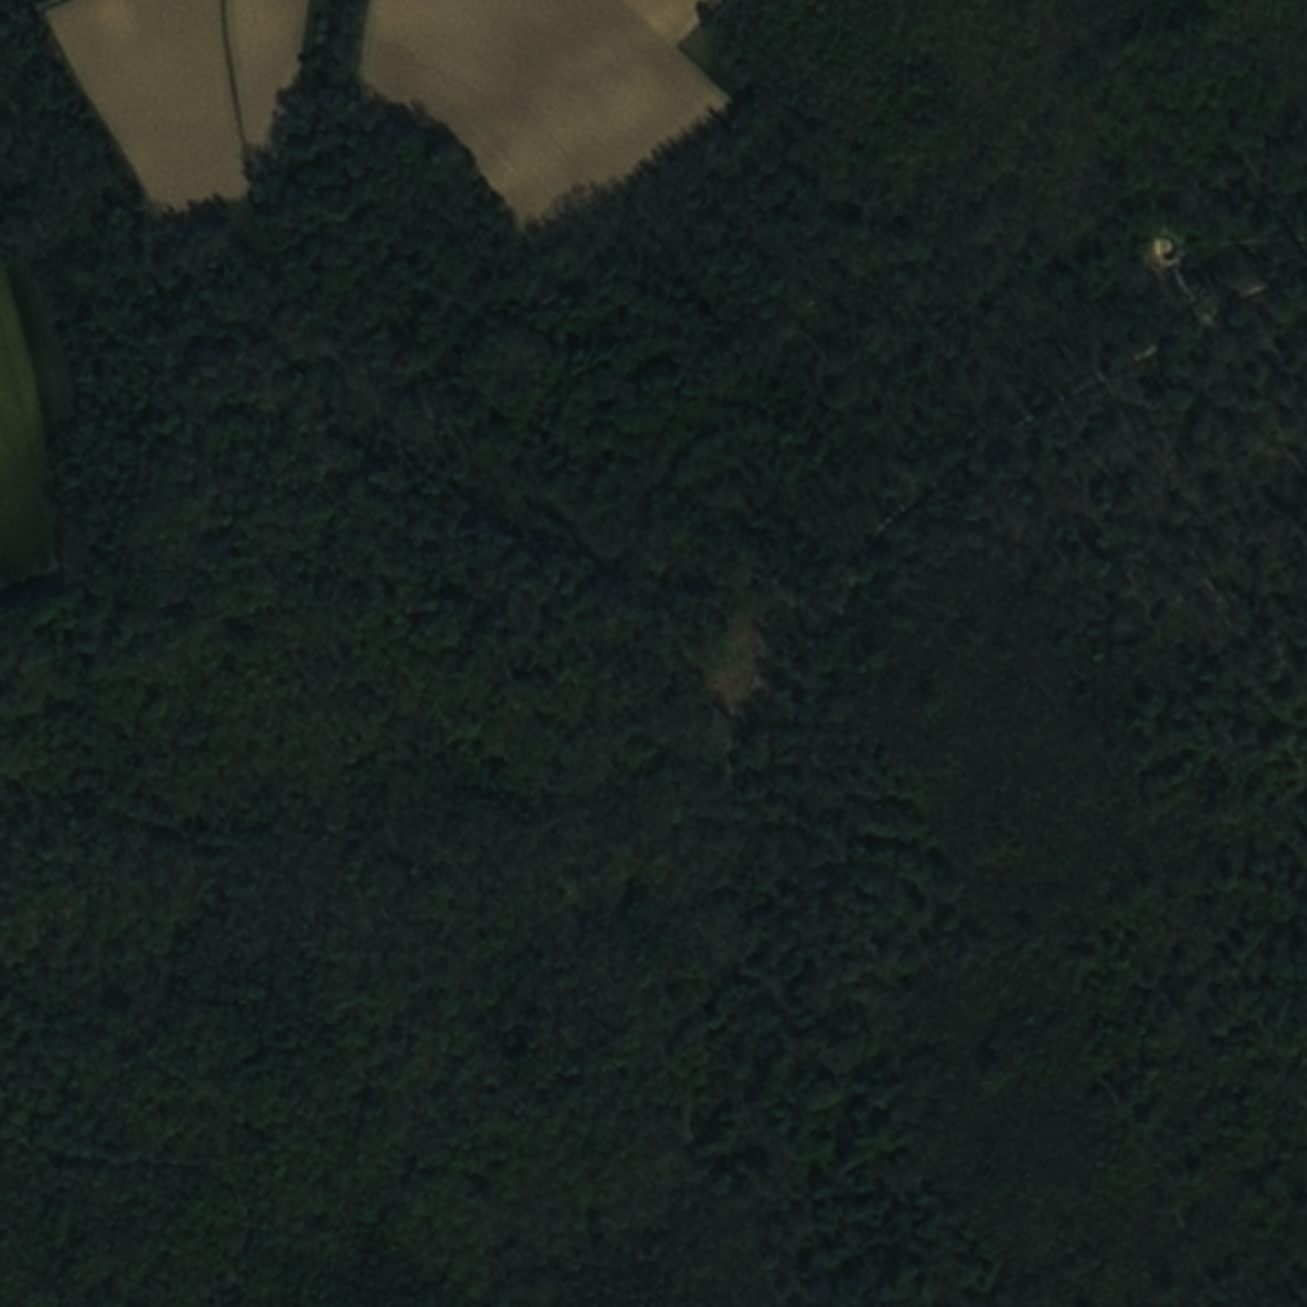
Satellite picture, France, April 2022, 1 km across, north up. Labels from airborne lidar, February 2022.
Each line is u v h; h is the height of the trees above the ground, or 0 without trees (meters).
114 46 0
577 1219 28
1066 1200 18
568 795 27
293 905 29
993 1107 16
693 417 14
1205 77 27
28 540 0
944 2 25
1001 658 16
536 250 26
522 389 27
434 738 26
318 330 28
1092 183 26
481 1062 34
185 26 0
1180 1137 14
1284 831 14
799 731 21
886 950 36
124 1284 21
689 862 31
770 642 27
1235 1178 14
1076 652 18
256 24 0
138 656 30
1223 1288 30
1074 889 17
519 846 29
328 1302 23
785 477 18
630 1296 17
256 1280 23
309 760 26
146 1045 23
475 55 0
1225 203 29
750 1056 27
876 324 29
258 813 22
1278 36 18
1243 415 34
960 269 30
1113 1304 14
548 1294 28
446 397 29
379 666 30
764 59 20
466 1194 30
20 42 30
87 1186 21
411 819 28
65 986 26
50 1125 28
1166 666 13
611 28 0
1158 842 15
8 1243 24
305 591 26
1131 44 21
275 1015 31
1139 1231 16
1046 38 25
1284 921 6
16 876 29
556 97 0
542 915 31
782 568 35
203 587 32
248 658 29
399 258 22
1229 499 33
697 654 25
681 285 24
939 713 18
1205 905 11
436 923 28
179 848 31
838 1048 30
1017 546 32
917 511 19
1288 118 13
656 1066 26
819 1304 29
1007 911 17
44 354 0
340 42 20
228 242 27
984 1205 19
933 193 22
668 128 0
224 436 27
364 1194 24
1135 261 29
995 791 19
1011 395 31
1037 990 17
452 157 25
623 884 27
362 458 28
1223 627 36
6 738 29
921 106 22
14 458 0
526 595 28
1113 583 14
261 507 32
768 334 32
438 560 25
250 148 0
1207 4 19
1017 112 23
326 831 28
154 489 32
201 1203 27
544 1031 28
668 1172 28
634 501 23
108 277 33
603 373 28
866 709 17
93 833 28
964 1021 16
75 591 25
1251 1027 7
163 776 28
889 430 19
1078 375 24
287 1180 24
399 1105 27
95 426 26
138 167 0
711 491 26
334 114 29
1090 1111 15
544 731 28
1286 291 28
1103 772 17
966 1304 9
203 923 28
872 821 24
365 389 33
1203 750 15
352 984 30
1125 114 31
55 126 32
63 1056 29
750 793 21
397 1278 23
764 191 23
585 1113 28
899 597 16
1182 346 27
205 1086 25
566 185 0
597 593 28
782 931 25
